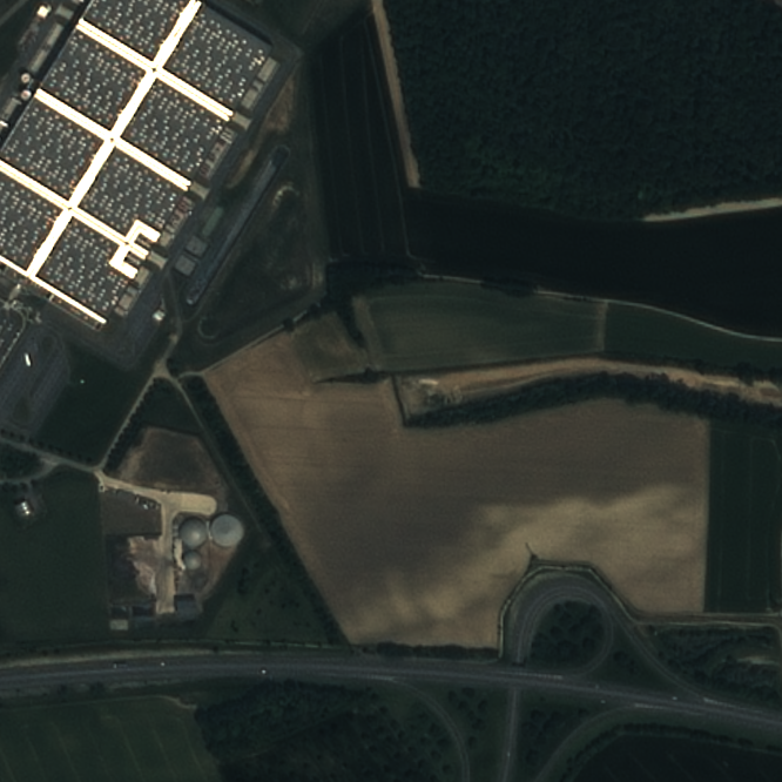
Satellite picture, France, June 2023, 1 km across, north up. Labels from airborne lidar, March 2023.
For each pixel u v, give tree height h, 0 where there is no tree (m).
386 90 0
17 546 0
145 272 0
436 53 27
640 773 0
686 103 22
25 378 0
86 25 0
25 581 0
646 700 0
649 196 15
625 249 0
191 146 0
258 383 0
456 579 0
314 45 0
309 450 0
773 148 23
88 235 0
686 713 0
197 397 7
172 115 0
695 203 12
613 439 0
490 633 0
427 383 0
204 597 0
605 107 26
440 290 0
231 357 0
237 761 0
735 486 0
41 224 0
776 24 12
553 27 19
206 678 0
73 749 0
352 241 0
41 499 0
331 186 0
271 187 0
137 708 0
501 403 10
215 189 0
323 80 0
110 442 0
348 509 0
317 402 0
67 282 0
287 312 0
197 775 0
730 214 0
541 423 0
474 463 0
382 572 0
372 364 0
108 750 0
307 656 0
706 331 0
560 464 0
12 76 0
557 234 0
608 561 0
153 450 0
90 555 0
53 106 0
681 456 0
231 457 8
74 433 0
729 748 0
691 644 0
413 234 0
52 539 0
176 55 0
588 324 0
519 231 0
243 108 0
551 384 6
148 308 0
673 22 18
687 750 0
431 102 21
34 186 0
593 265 0
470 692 9
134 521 0
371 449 0
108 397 0
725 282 0
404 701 0
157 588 0
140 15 0
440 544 0
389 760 0
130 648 0
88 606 0
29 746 0
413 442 0
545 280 0
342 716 0
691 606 0
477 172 20
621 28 24
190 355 0
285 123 0
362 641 0
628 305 0
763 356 0
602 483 0
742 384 0
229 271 0
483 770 0
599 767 0
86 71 0
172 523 0
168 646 0
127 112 0
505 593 0
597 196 15
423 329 0
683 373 0
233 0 0
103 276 0
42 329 0
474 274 0
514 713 0
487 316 0
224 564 0
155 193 0
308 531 0
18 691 0
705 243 0
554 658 13
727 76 23
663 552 0
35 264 0
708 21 26
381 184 0
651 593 0
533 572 0
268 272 0
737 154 18
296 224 0
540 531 0
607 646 0
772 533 0
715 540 0
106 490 0
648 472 0
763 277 0
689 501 0
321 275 0
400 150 0
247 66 0
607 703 0
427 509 0
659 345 0
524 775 0
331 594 0
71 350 0
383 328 0
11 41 0
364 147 0
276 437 0
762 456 0
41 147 0
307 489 0
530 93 26
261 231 0
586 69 27
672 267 0
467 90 27
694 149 18
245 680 0
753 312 0
